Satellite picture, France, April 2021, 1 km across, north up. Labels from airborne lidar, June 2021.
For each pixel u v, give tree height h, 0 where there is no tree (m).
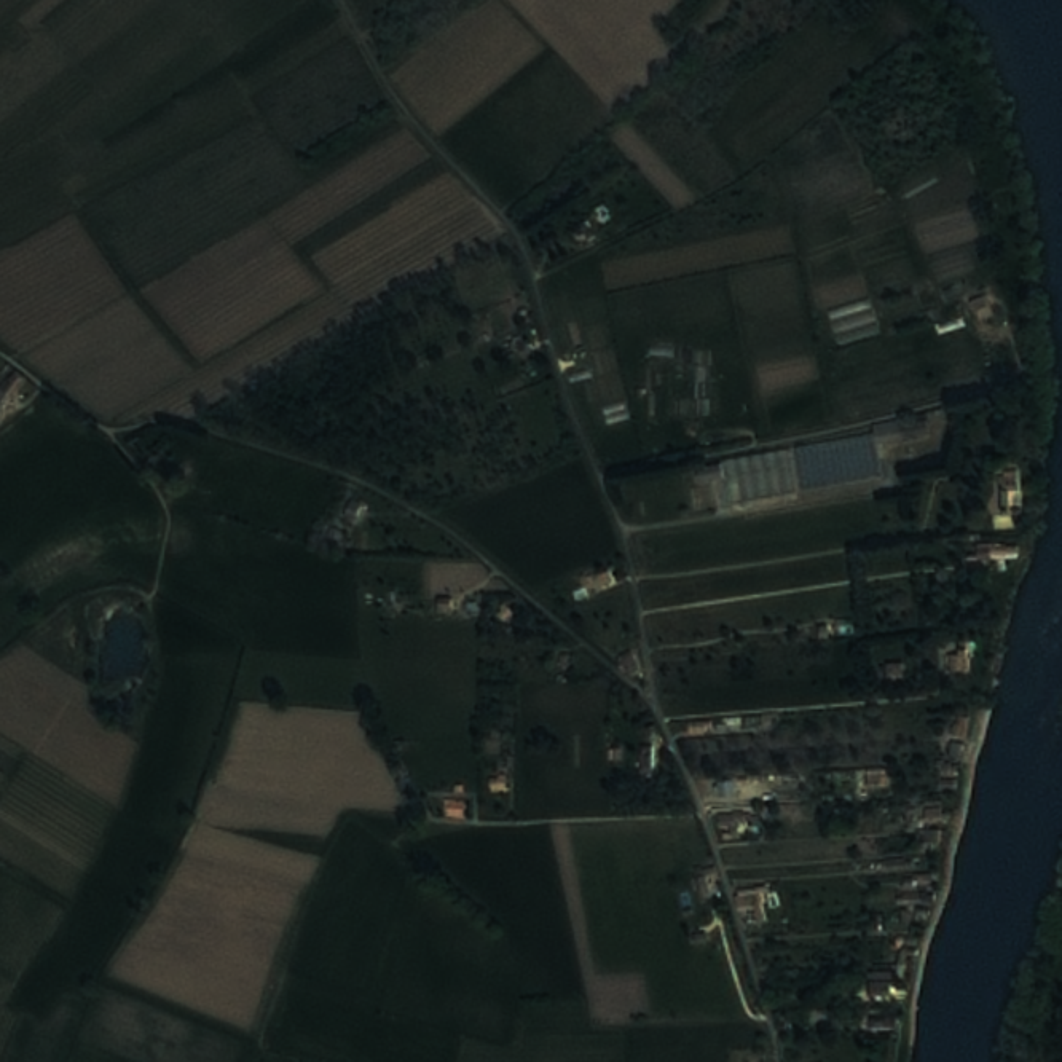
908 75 8
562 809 0
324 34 0
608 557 0
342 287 0
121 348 0
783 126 0
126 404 0
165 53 0
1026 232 19
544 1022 0
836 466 0
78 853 0
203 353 0
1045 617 0
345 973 0
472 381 0
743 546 0
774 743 15
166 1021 0
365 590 8
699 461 16
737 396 0
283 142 0
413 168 0
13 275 0
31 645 0
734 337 0
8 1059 0
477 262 18
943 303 0
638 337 0
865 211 0
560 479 0
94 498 0
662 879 0
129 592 0
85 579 0
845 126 9
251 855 0
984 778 0
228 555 0
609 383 0
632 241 7
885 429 0
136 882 0
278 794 0
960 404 21
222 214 0
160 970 0
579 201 14
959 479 6
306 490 0
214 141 0
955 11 24
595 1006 0
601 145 8
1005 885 0
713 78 11
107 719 28
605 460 0
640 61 0
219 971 0
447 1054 0
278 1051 0
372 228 0
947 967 0
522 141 0
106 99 0
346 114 0
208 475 0
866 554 17
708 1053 0
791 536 0
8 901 0
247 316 0
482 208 0
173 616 0
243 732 0
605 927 0
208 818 0
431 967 0
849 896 0
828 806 8
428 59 0
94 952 0
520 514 0
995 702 19
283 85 0
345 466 18
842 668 0
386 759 8
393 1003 0
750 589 0
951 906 0
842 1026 15
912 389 0
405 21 13
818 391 0
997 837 0
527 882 0
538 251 15
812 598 0
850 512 0
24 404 0
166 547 0
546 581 0
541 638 9
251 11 0
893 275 0
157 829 0
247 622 0
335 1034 0
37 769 0
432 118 0
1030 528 15
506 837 0
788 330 0
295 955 0
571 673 8
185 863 0
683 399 0
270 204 0
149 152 0
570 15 0
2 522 0
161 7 0
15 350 0
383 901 0
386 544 9
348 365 18
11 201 0
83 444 0
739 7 11
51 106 0
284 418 21
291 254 0
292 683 0
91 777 0
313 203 0
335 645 0
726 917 10
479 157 0
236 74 0
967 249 0
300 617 0
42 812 0
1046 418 15
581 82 0
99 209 0
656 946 0
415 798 18
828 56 0
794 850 0
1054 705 0
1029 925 0
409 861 0
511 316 0
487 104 0
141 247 0
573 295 0
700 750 10
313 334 0
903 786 13
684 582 0
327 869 0
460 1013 0
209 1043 0
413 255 0
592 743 0
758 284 0
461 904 16
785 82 0
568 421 13
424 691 0
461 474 0
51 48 0
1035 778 0
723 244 0
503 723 8
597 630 0
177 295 0
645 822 0
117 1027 0
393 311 21
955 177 0
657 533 0
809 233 0
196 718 0
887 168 8
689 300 0
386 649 0
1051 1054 10
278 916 0
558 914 0
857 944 7
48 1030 0
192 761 0
